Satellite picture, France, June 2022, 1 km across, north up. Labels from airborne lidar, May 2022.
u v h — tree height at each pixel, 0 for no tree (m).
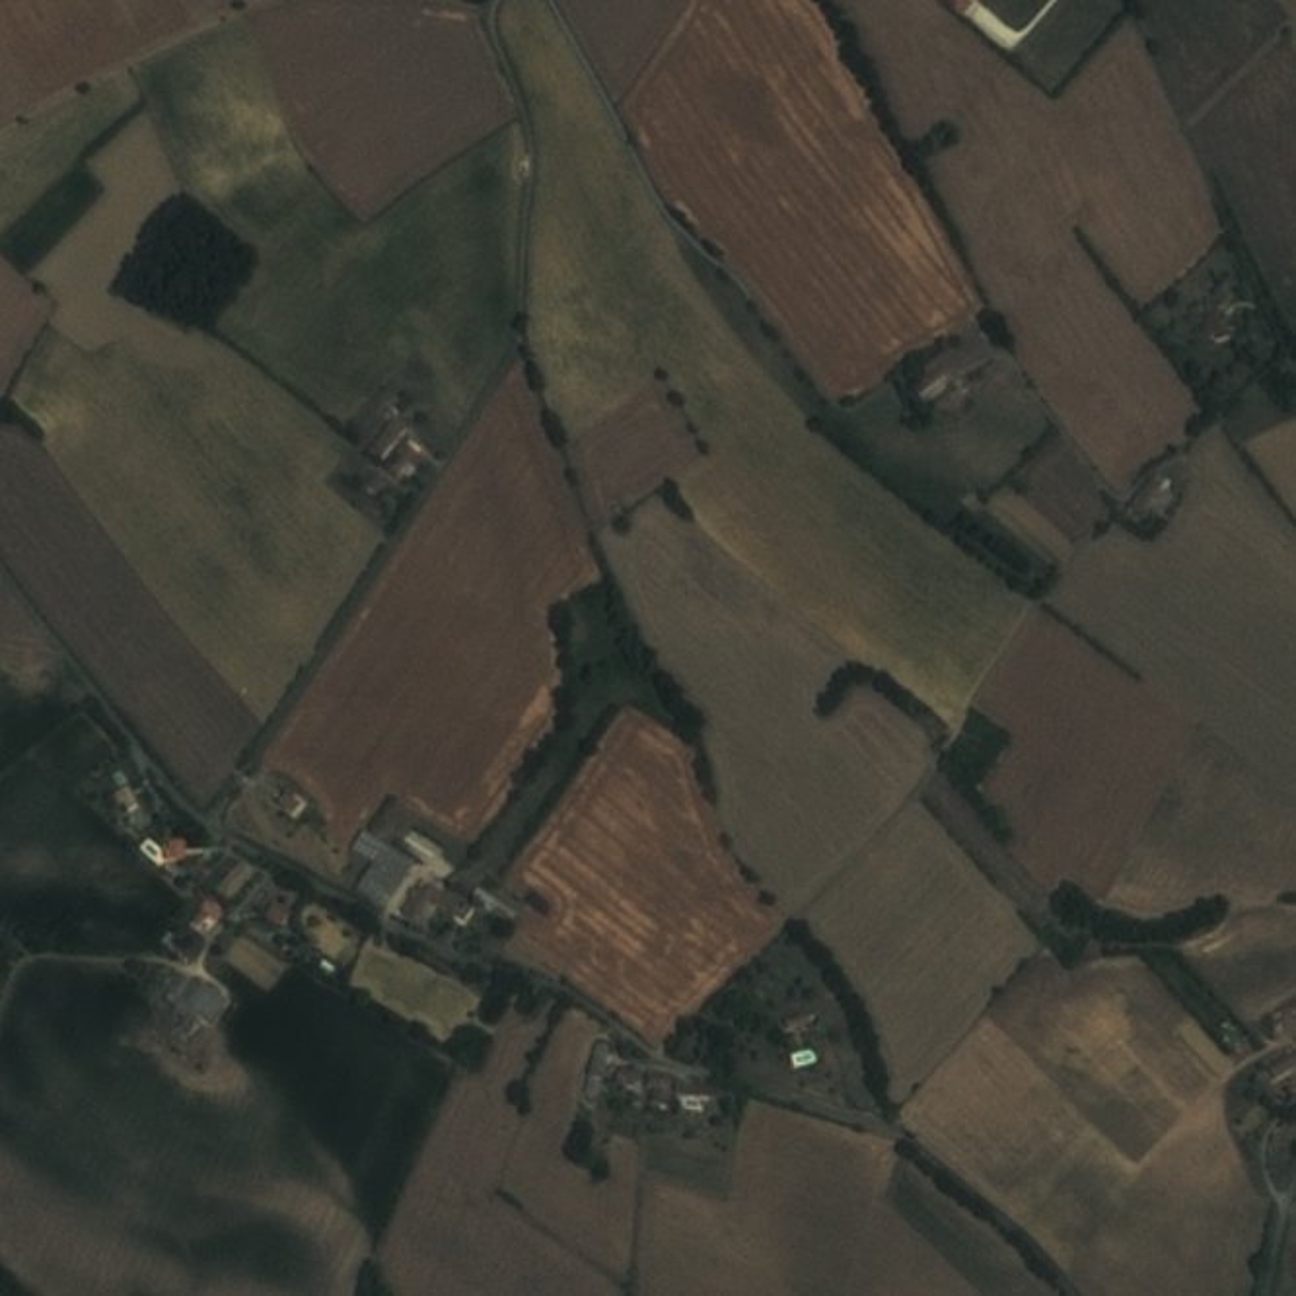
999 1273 0
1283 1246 0
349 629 0
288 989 0
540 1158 0
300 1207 0
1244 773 0
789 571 0
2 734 0
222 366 0
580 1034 0
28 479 0
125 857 0
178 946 6
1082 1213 0
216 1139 0
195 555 0
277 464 0
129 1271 0
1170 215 0
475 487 0
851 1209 0
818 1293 0
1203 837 0
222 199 0
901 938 0
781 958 0
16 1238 0
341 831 0
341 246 0
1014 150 0
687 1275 0
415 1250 0
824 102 0
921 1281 0
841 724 0
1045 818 0
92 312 0
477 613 0
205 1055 0
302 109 0
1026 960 6
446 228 0
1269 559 0
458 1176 0
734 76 0
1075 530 0
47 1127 0
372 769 0
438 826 0
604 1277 0
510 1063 0
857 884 0
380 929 7
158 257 20
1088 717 0
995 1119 0
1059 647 0
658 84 0
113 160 0
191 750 0
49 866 0
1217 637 0
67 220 0
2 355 0
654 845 0
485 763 0
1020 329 0
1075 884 7
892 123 13
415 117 0
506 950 0
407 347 0
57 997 0
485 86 0
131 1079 0
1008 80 0
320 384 0
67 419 0
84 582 0
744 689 0
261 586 0
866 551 0
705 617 0
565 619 18
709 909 0
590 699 0
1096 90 0
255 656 0
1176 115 0
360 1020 0
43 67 0
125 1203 0
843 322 0
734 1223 0
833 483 0
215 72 0
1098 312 0
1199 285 0
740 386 0
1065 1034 0
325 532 0
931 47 0
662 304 0
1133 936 12
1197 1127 0
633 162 0
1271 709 0
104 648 0
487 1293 0
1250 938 0
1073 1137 0
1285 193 0
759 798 0
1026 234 0
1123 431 0
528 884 0
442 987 0
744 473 0
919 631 0
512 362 0
